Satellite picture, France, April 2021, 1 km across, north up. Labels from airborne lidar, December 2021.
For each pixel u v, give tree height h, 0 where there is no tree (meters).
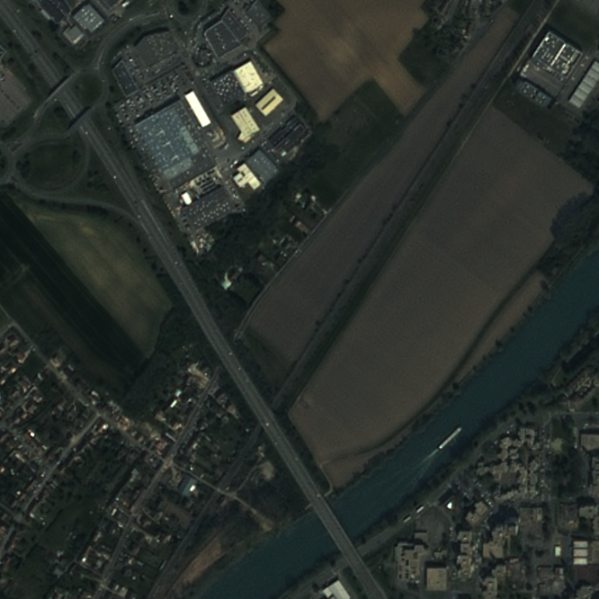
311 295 0
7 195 0
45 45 0
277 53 0
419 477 0
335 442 0
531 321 0
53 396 0
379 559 0
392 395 0
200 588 0
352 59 0
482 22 0
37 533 0
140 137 0
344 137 0
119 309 0
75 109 0
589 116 14
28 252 0
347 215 0
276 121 0
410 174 0
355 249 0
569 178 0
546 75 0
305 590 0
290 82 0
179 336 8
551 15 0
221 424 9
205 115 0
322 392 0
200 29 0
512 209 0
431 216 0
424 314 0
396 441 0
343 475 0
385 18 0
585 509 0
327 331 0
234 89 0
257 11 0
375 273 0
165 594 0
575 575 17
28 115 0
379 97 0
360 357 0
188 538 0
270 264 0
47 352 13
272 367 0
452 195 0
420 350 0
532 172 0
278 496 29
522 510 0
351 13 0
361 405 0
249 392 0
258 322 0
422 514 0
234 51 0
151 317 0
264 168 0
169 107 0
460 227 0
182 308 6
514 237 0
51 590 7
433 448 0
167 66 0
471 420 0
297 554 0
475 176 0
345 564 0
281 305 0
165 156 0
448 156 0
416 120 0
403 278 0
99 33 0
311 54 0
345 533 0
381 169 0
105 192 6
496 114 0
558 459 9
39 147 0
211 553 0
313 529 0
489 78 0
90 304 0
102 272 0
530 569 15
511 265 0
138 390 16
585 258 0
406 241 0
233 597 0
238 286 0
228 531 37
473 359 0
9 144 0
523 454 0
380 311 0
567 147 7
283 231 0
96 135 0
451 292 0
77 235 0
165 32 0
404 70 0
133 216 0
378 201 0
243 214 9
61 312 0
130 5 0
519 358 0
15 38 0
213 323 0
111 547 7
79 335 0
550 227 0
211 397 7
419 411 0
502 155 0
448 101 0
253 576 0
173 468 0
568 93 0
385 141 0
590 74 0
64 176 0
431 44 7
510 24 0
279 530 22
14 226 0
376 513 0
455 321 0
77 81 0
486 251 0
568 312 0
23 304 0
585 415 0
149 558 0
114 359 0
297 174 14
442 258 0
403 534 0
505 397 0
